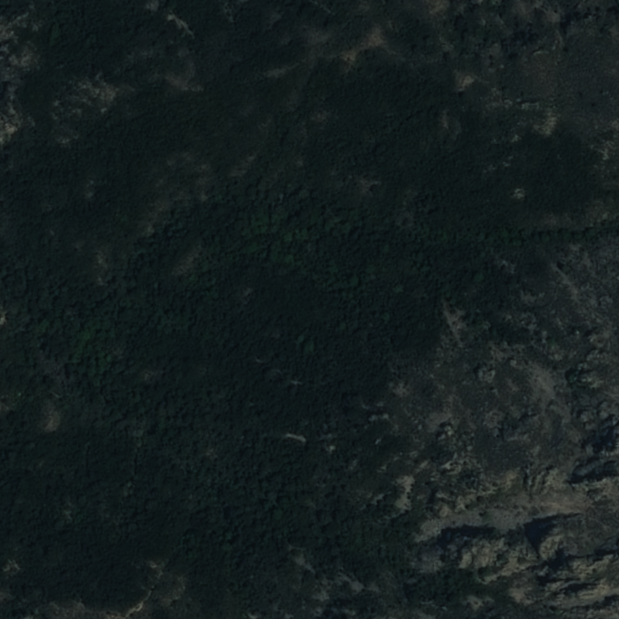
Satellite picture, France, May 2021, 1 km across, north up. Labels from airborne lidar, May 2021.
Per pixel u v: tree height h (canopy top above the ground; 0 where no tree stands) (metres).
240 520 23
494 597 7
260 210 18
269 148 11
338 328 11
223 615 10
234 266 8
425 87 10
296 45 7
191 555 23
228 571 8
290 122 8
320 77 13
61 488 9
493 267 9
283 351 11
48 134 11
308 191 10
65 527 9
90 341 7
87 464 8
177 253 15
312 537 10
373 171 7
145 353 11
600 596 0
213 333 14
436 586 8
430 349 6
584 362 8
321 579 7
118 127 15
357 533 16
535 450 0
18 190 9
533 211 6
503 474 0
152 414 14
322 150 13
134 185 9
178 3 11
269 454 14
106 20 10
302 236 8
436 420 0
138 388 17
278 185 8
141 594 6
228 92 7
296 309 8
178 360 8
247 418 10
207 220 14
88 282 10
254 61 8
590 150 8
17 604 7
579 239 17
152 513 10
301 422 15
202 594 7
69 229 7
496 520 0
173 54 9
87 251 7
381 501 10
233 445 7
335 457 9
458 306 8
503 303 9
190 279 6
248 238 10
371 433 8
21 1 6
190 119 13
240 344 17
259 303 8
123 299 14
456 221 9
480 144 7
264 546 12
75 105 6
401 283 7
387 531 11
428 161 8
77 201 11
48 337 16
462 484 9
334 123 7
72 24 10
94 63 7
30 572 7
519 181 8
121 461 12
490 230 15
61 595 7
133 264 16
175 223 8
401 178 10
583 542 0
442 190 14
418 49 11
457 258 8
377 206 7
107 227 7
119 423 19
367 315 10
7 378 9
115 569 18
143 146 7
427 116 7
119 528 10
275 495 18
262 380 11
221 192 10
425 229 17
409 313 9
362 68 9
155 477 13
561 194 14
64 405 12
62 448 7
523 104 8
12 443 9
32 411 8
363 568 6
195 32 7
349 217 19
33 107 7
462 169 12
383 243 16
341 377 8
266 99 6
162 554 7
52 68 6
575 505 0
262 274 10
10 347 6
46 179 16
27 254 10
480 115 6
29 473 12
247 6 6
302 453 12
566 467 0
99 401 20
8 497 7
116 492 8
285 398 8
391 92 7
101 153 15
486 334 7
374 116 7
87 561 6
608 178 7
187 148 11
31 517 7
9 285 17
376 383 9
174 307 15
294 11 10
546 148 7
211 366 7
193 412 10
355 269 11
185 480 10
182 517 12
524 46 6
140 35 6
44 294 22
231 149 10
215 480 13
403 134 8
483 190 12
